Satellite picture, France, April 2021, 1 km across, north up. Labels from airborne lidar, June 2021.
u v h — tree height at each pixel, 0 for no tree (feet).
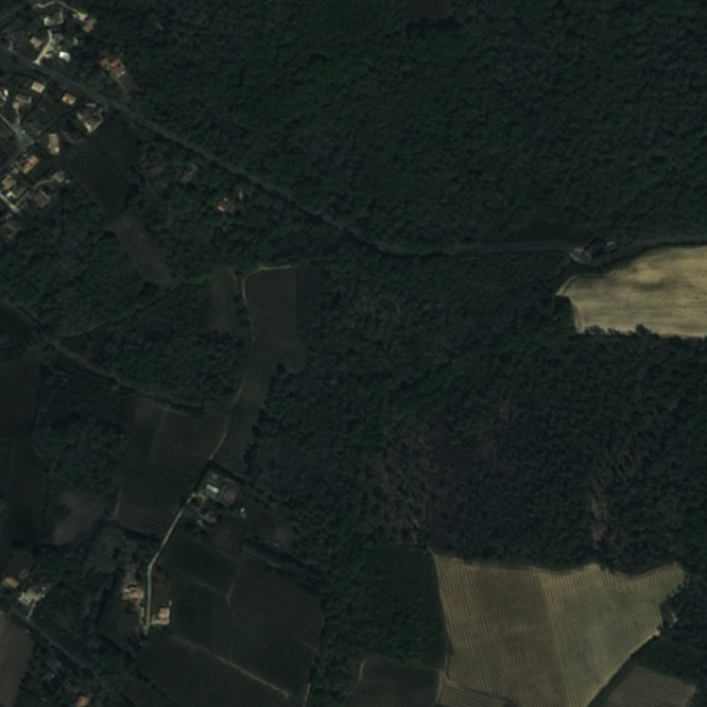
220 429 0
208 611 0
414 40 72
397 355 63
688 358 45
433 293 34
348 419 33
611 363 46
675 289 0
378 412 65
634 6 37
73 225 46
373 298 27
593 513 44
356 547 50
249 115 75
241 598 0
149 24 74
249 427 0
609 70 44
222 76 49
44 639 20
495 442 27
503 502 27
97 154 0
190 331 55
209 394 48
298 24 56
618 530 62
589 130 48
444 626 28
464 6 62
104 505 0
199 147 62
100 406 24
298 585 31
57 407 53
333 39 62
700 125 35
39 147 18
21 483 0
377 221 68
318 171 58
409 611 35
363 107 62
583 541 50
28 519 0
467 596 0
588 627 0
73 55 38
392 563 23
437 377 61
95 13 47
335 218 54
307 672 0
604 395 50
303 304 46
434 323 55
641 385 62
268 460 48
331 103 63
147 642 42
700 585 47
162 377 75
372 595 34
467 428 54
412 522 37
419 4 0
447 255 48
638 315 0
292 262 49
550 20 50
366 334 30
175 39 72
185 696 0
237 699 0
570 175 74
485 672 0
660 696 0
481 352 65
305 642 0
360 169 38
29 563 0
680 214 63
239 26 37
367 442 47
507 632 0
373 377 35
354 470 60
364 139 56
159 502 0
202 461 0
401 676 0
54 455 68
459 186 71
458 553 49
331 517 66
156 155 49
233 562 0
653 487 47
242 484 25
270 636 0
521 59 85
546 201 79
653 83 25
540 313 76
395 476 51
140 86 37
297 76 58
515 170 58
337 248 29
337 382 76
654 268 0
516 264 23
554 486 53
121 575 39
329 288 23
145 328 26
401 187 59
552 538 50
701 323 0
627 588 0
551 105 55
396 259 54
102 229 50
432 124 58
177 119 45
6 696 0
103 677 68
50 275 32
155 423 0
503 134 71
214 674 0
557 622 0
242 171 41
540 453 45
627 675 0
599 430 31
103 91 33
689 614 56
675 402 63
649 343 67
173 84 48
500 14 53
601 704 0
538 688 0
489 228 62
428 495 56
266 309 0
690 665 19
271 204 46
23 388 0
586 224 64
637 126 43
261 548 39
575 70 52
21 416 0
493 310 28
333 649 47
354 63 74
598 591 0
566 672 0
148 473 0
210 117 35
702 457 90
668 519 68
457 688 0
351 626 33
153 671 0
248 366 0
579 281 0
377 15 56
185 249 67
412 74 58
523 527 38
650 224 65
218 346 75
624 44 45
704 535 71
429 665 34
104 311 60
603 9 64
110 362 72
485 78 68
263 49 71
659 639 27
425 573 20
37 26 55
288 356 0
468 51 52
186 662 0
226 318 0
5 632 0
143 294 51
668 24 45
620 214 51
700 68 49
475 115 67
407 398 60
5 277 52
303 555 28
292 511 44
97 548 60
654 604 0
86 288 51
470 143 59
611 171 52
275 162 70
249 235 60
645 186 67
